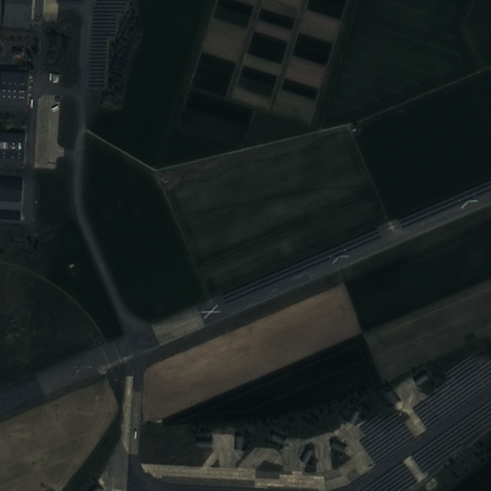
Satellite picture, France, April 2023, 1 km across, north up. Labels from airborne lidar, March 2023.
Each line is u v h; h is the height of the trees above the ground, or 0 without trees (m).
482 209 0
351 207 0
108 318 0
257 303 0
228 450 0
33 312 0
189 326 0
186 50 0
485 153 0
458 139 0
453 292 0
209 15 0
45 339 0
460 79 0
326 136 0
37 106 0
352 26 0
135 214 0
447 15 0
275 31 0
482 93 0
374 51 0
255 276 0
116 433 0
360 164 0
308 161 0
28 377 0
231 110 0
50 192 0
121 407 0
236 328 0
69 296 0
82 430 0
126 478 0
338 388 0
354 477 0
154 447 0
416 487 0
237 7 0
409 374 0
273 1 0
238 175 0
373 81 0
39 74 0
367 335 0
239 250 0
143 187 0
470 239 0
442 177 0
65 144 0
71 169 0
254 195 0
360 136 0
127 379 0
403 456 0
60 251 0
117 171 0
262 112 0
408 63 0
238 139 0
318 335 0
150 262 0
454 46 0
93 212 0
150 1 0
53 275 0
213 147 0
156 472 0
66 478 0
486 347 0
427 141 0
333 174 0
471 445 0
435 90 0
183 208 0
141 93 0
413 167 0
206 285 0
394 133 0
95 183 0
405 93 0
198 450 0
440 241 0
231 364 0
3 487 0
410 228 0
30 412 0
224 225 0
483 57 0
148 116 0
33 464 0
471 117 0
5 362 0
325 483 0
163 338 0
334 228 0
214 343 0
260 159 0
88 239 0
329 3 0
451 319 0
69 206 0
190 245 0
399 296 0
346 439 0
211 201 0
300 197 0
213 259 0
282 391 0
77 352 0
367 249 0
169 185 0
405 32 0
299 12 0
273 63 0
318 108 0
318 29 0
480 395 0
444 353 0
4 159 0
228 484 0
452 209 0
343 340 0
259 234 0
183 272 0
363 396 10
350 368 0
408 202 0
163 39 0
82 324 0
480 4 0
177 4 0
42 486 0
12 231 0
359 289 0
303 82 0
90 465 0
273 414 0
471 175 0
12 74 0
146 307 0
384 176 0
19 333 0
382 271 0
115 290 0
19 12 0
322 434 0
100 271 0
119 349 0
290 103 0
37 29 0
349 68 0
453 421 0
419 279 0
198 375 0
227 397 0
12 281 0
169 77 0
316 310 0
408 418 0
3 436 0
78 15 0
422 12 0
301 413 0
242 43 0
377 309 0
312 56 0
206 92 0
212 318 0
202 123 0
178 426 0
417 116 0
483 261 0
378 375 0
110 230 0
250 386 0
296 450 0
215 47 0
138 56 0
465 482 0
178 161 0
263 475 0
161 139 0
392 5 0
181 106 0
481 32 0
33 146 0
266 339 0
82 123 0
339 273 0
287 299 0
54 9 0
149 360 0
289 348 0
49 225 0
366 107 0
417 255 0
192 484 0
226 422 0
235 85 0
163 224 0
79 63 0
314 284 0
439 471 0
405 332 0
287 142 0
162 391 0
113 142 0
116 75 10
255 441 0
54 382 0
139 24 11
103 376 0
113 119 0
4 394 0
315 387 0
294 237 0
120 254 0
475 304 0
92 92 0
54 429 0
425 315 0
